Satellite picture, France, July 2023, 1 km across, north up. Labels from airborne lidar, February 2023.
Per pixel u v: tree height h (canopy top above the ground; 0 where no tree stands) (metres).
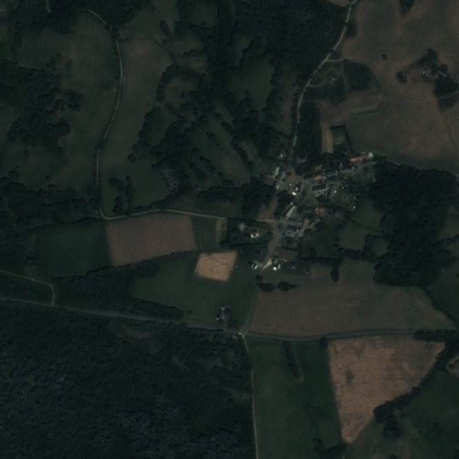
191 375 6
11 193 11
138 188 0
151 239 0
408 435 0
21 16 19
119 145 0
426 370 0
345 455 0
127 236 0
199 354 13
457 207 8
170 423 24
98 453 10
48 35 0
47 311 8
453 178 14
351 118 0
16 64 12
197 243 0
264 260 0
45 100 16
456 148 0
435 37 0
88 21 0
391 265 7
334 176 7
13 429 18
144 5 13
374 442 0
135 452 6
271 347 0
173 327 11
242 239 7
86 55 0
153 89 0
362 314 0
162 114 0
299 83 8
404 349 0
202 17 0
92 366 10
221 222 0
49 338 7
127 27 0
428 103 0
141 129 0
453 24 0
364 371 0
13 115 0
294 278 0
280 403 0
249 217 20
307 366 0
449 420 0
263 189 20
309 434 0
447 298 0
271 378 0
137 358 11
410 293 0
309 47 11
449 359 17
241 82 0
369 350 0
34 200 23
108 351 11
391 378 0
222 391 6
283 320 0
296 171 7
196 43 0
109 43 0
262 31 24
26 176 0
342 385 0
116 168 0
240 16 22
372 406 0
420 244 14
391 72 0
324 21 9
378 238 16
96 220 14
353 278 0
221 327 0
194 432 21
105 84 0
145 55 0
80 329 7
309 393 0
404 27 0
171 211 0
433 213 15
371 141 0
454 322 6
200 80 7
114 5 16
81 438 9
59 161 0
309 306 0
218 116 13
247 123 16
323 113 0
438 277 0
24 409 16
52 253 0
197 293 0
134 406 14
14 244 9
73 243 0
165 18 0
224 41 16
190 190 14
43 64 0
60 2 18
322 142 0
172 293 0
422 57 0
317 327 0
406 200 18
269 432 0
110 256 0
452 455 0
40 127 17
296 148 8
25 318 9
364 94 0
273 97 13
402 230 15
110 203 0
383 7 0
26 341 7
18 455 15
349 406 0
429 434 0
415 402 0
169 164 23
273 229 0
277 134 16
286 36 16
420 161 0
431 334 11
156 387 16
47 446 10
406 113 0
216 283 0
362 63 0
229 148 0
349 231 0
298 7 21
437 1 0
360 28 0
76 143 0
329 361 0
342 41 0
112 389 7
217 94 22
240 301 0
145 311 14
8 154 0
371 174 0
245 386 12
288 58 11
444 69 10
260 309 0
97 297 16
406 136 0
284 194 12
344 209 6
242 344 14
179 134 16
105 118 0
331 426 0
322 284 0
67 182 0
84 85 0
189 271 0
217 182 0
